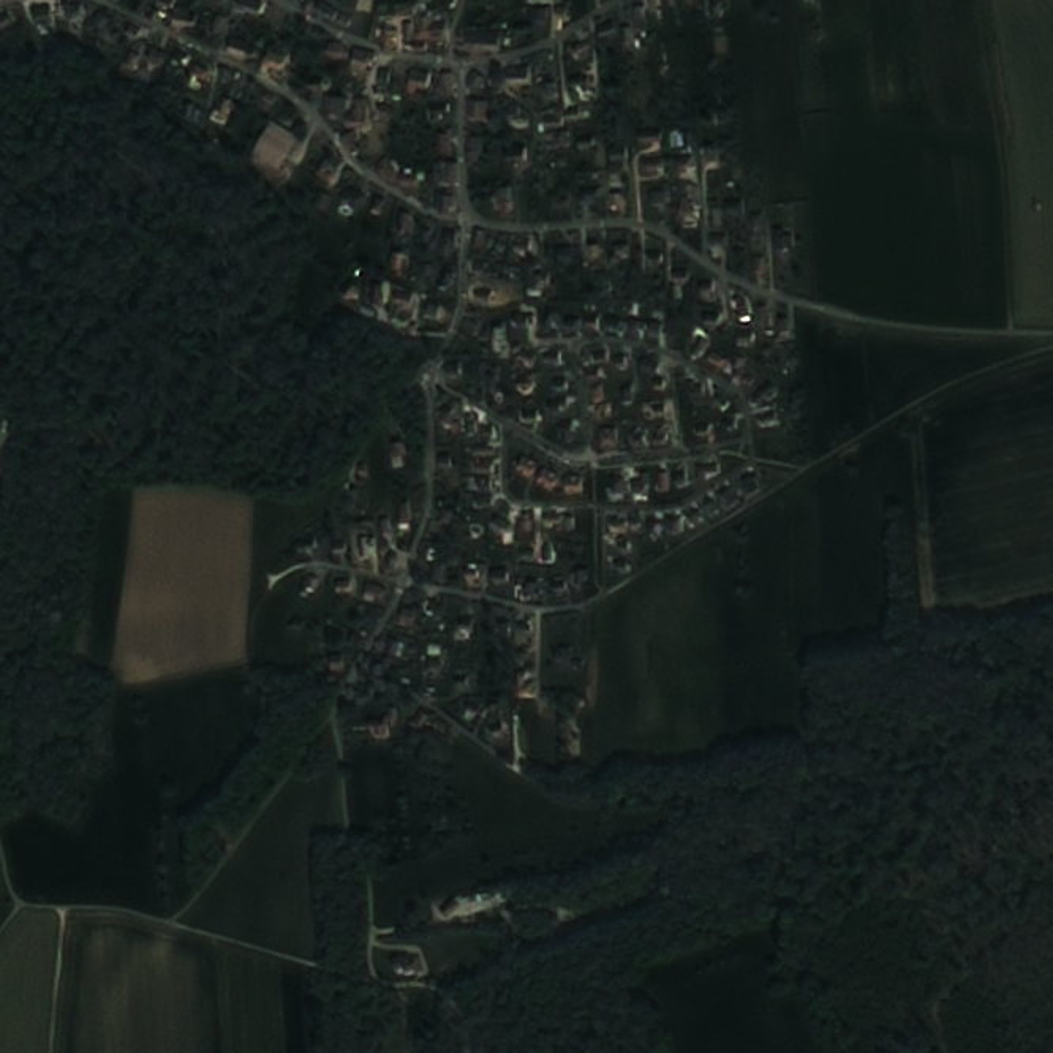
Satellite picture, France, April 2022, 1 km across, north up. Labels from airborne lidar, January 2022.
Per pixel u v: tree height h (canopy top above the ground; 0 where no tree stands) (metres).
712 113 10
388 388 18
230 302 22
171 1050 0
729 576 0
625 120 16
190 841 17
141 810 0
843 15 0
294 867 0
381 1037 16
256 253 29
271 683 15
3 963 0
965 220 0
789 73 0
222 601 0
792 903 24
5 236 22
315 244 21
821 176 0
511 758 16
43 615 27
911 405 0
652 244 0
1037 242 0
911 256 0
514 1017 16
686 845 24
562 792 22
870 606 0
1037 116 0
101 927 0
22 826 0
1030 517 0
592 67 0
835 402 0
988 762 27
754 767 19
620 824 0
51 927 0
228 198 29
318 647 0
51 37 0
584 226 0
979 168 0
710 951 0
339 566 0
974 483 0
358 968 12
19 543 24
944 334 0
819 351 0
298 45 8
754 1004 0
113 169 24
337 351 20
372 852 21
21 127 24
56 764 23
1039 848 29
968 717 31
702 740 0
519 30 8
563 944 17
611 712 0
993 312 0
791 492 0
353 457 17
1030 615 24
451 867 0
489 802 0
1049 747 25
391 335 19
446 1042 20
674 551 0
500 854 0
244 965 0
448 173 0
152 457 20
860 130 0
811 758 26
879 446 0
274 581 0
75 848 0
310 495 14
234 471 22
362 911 19
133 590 0
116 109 27
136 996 0
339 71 14
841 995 10
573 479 0
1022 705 27
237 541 0
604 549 0
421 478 14
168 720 0
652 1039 20
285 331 21
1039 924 19
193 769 0
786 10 0
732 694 0
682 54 0
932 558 0
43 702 27
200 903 0
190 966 0
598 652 0
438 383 0
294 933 0
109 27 6
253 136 6
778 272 0
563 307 0
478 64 0
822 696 28
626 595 0
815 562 0
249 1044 0
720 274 0
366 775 0
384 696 8
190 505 0
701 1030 0
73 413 20
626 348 0
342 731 0
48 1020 0
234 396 18
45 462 28
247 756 17
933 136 0
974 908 31
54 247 26
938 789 31
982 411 0
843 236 0
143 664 0
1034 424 0
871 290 0
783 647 0
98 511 12
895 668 30
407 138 13
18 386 22
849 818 26
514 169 0
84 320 23
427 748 17
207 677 0
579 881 19
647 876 17
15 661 23
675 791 8
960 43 0
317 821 0
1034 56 0
